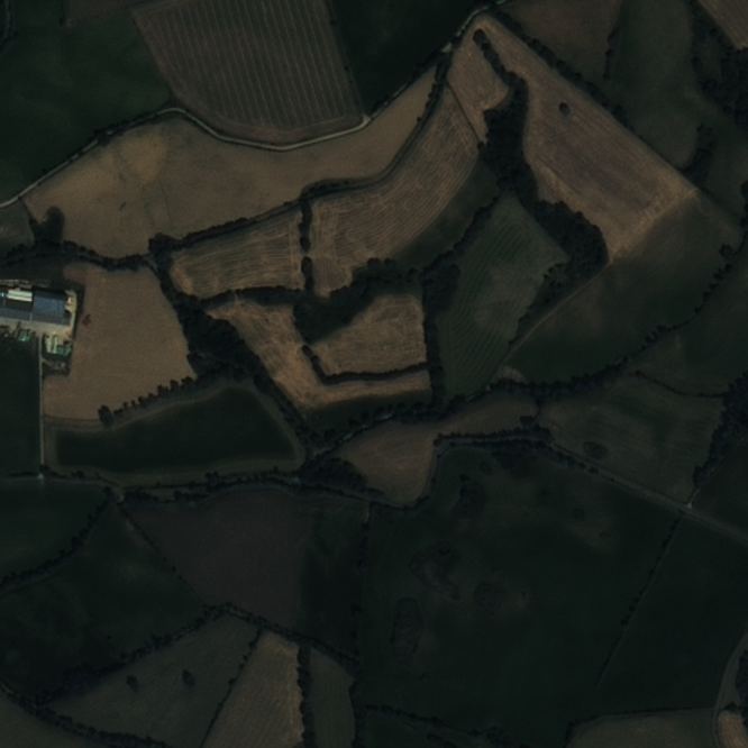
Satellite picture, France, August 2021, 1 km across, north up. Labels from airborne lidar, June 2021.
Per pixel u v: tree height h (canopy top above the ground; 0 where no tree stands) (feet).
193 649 0
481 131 0
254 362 69
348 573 0
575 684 0
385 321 0
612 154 0
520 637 0
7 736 0
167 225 0
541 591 0
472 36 0
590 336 0
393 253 0
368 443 0
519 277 0
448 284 62
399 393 0
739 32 0
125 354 0
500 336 0
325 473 55
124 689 0
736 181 0
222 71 0
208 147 0
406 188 0
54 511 0
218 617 24
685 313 0
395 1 0
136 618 0
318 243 0
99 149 0
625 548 0
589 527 0
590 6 0
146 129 0
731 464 0
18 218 0
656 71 0
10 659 0
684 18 0
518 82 67
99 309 0
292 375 0
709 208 0
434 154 0
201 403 0
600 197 0
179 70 0
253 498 0
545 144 0
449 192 0
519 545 0
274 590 0
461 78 0
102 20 0
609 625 0
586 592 0
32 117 0
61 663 0
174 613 0
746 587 0
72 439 0
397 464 0
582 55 0
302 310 33
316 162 0
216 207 0
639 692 0
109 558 0
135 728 0
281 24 0
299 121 0
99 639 0
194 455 0
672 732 0
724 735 0
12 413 0
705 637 0
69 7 0
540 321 0
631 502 0
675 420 0
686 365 0
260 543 0
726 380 0
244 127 0
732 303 0
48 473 48
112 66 0
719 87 38
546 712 0
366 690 0
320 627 0
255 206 0
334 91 0
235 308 0
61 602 0
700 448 0
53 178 0
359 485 38
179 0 0
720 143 0
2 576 0
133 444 0
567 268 26
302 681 40
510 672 0
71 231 0
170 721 0
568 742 25
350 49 0
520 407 0
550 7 0
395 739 0
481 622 0
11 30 21
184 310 45
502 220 0
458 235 0
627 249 0
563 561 0
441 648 0
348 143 0
